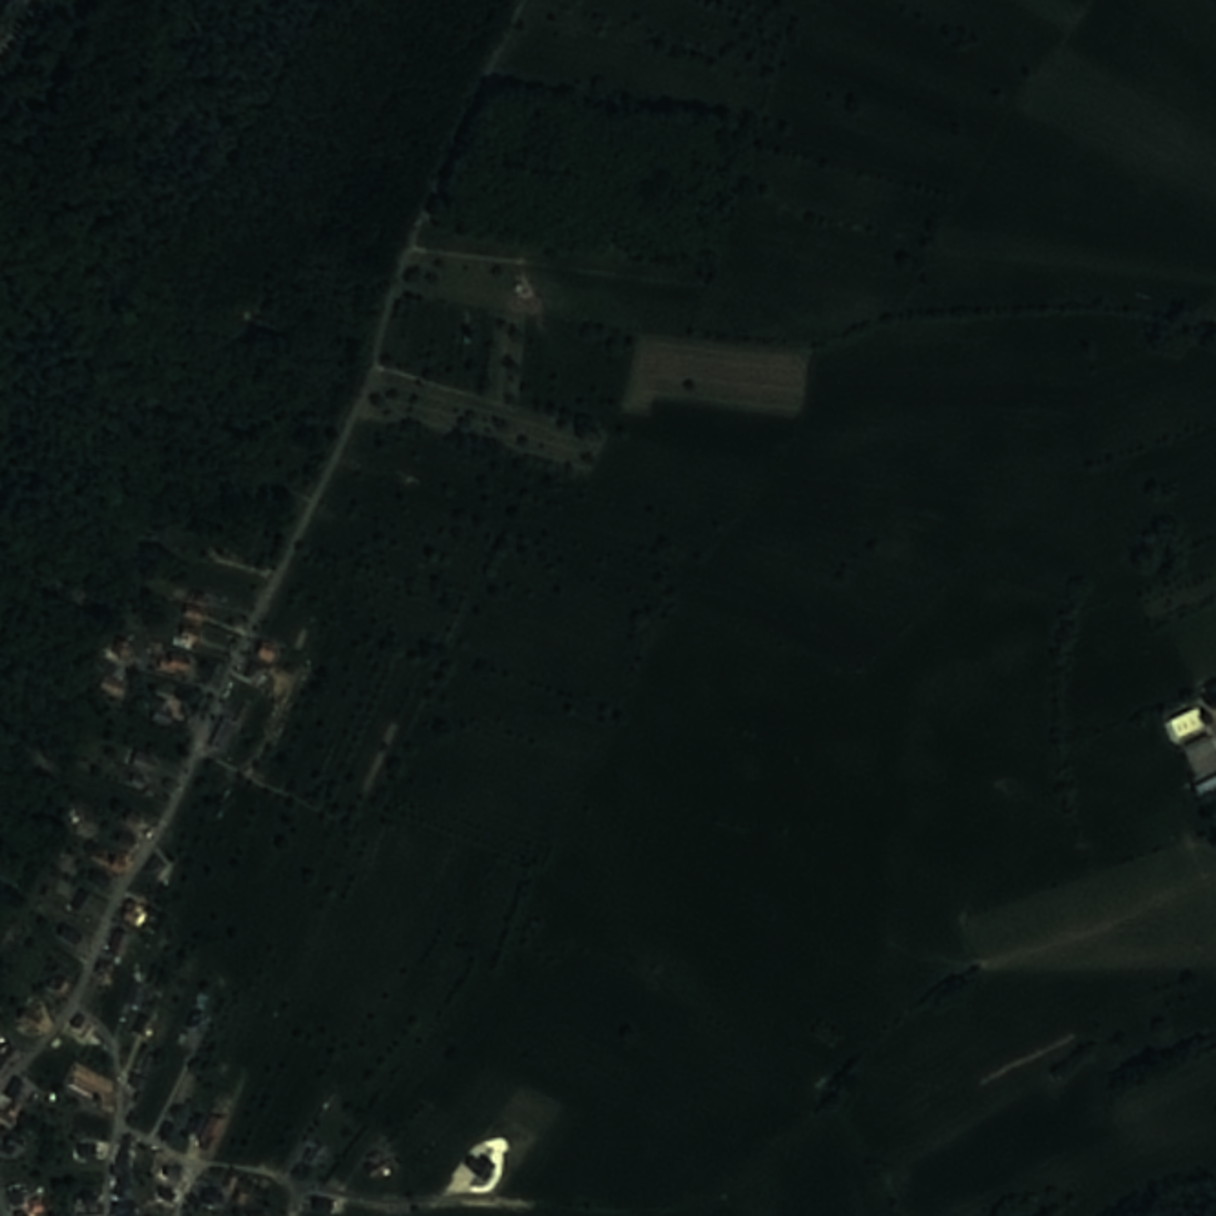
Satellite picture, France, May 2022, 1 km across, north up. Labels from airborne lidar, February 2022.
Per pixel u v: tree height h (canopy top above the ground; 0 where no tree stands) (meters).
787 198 0
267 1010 0
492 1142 0
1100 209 0
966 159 0
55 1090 10
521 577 0
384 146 21
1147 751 0
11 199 23
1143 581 0
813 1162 0
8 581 19
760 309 0
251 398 27
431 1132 0
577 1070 0
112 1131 0
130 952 0
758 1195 0
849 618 0
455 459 0
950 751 0
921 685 0
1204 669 0
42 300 26
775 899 0
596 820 0
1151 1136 0
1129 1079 10
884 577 0
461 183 0
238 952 0
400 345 0
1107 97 0
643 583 0
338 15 19
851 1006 0
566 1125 0
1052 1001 0
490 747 0
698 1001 0
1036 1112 0
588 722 0
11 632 20
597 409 0
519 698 0
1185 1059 11
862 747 0
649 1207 0
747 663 0
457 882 0
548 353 0
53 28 25
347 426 0
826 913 0
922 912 0
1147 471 0
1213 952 0
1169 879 0
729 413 0
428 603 0
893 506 0
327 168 19
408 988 0
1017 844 0
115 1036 0
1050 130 0
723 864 0
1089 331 0
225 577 0
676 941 0
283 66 16
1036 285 0
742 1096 0
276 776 0
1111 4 0
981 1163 0
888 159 0
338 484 0
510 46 0
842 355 0
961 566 0
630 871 0
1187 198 0
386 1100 0
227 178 18
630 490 0
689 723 0
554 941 0
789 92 0
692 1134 0
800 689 0
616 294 0
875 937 0
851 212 0
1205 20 0
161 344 26
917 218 0
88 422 26
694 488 0
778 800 0
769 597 0
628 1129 0
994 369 0
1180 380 0
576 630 0
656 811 0
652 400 0
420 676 0
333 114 17
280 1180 0
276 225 20
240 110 24
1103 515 0
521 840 0
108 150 30
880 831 0
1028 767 0
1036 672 0
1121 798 0
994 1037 0
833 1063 0
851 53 0
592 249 20
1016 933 0
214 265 17
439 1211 0
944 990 7
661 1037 0
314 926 0
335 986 0
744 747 0
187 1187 0
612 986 0
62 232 26
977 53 0
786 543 0
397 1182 0
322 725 7
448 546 0
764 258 0
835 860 0
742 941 0
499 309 0
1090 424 0
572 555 0
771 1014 0
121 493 32
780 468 0
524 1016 0
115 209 25
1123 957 0
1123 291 0
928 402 0
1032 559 0
